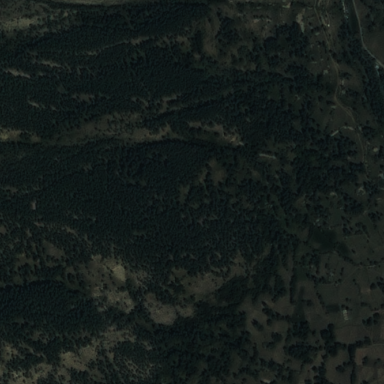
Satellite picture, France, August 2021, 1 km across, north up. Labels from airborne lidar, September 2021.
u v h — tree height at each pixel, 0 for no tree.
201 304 11
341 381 0
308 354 17
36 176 14
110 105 22
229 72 16
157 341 20
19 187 12
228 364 14
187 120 18
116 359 16
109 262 0
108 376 23
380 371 0
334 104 16
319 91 10
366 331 0
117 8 10
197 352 6
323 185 19
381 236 0
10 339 20
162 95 17
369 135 17
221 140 0
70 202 12
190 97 26
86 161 26
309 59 16
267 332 0
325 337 21
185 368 19
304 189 20
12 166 9
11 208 17
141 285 6
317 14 0
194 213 21
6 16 0
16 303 23
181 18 21
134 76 23
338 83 0
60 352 20
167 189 22
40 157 10
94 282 0
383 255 0
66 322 24
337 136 0
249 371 15
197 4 6
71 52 13
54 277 33
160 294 6
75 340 17
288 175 18
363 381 0
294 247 15
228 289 13
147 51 29
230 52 0
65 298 27
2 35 14
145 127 7
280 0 0
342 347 16
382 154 16
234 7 0
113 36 17
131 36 14
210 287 0
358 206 14
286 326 0
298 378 0
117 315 8
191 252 20
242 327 13
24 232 28
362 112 0
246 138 16
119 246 19
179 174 21
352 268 0
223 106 15
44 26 7
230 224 23
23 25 0
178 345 7
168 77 22
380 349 0
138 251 18
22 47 8
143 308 24
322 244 0
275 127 25
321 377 9
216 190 8
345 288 0
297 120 26
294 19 0
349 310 13
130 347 16
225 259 20
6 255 20
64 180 26
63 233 16
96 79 24
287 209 19
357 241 0
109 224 19
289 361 7
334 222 0
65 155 16
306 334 13
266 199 7
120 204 23
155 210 26
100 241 11
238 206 18
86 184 22
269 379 0
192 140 7
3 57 7
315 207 6
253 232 23
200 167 11
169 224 26
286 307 0
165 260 21
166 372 9
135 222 23
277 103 19
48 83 12
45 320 21
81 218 21
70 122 24
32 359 27
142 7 7
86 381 20
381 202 0
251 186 19
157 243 22
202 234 20
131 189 27
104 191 28
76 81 18
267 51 21
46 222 11
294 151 11
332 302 0
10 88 13
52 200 11
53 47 16
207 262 26
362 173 20
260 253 17
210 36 0
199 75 25
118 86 13
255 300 11
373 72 12
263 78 27
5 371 0
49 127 22
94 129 0
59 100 20
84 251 17
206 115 18
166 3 7
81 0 0
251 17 0
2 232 0
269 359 0
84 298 19
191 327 10
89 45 9
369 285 0
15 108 14
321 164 9
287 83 24
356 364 8
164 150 23
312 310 0
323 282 6
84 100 0
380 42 0
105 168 23
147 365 10
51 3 6
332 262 0
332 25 0
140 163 24
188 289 0
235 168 18
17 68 17
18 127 16
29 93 12
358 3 0
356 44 10
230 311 14
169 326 12
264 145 9
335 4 9
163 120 19
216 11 0
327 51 7
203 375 7
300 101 0
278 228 23
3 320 15
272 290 11
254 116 25
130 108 24
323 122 0
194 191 28
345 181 11
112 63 25
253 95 22
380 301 0
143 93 16
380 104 15
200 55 19
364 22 0
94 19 11
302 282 0
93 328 19
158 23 28
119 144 6
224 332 8
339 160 22
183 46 12
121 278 0
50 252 0
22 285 0
